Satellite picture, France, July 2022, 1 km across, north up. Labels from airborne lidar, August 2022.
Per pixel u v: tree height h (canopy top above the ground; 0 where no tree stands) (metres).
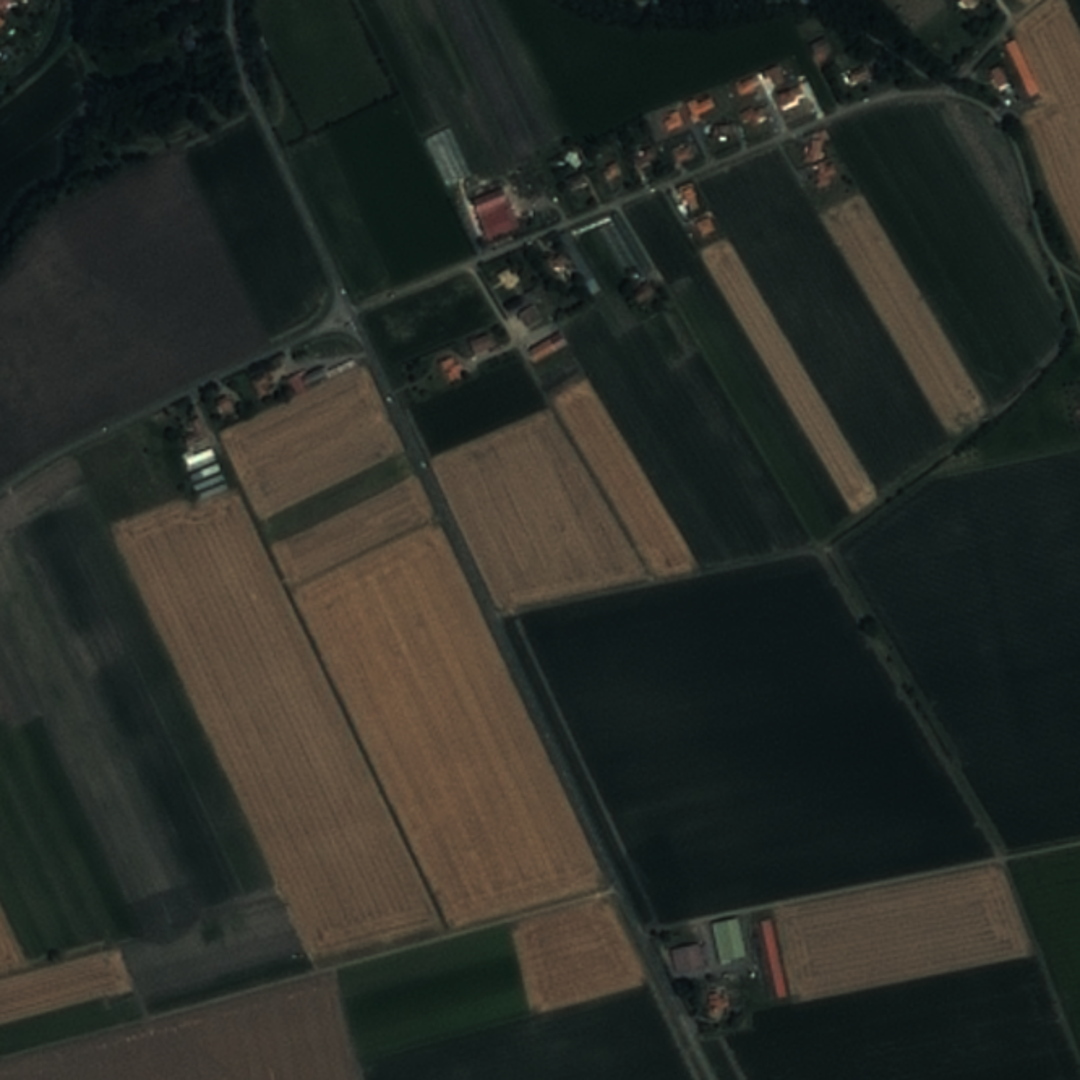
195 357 0
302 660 0
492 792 0
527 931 0
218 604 0
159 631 0
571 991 0
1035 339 0
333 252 0
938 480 0
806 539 0
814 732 0
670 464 0
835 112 0
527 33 0
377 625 0
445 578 0
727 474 0
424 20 0
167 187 0
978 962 0
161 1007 0
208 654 0
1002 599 0
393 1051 0
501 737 0
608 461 0
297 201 0
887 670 0
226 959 0
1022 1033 0
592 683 0
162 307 0
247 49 16
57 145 0
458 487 0
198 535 0
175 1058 0
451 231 0
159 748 0
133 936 0
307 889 0
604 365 0
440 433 0
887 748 0
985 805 0
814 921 0
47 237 0
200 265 0
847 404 0
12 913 0
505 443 0
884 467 0
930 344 0
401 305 0
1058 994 0
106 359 0
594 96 0
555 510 0
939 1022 0
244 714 0
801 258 0
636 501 0
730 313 0
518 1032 0
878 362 0
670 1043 0
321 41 0
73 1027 0
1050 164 0
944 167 0
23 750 0
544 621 0
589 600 0
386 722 0
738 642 0
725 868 0
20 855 0
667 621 0
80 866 0
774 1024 0
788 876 0
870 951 0
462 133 0
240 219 0
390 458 0
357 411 0
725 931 0
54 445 0
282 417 0
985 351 0
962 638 0
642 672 0
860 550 0
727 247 0
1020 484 0
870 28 29
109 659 0
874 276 0
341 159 0
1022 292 0
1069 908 0
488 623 0
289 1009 0
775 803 0
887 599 0
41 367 0
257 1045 0
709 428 0
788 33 0
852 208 0
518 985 0
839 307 0
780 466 0
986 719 0
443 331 0
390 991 0
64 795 0
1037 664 0
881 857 0
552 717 0
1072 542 0
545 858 0
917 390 0
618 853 0
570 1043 0
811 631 0
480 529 0
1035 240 0
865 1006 0
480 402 0
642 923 0
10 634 0
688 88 0
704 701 0
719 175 0
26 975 0
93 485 0
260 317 0
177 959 0
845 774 0
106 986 0
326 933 0
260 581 0
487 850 0
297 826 0
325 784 0
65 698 0
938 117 0
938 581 0
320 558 0
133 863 0
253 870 0
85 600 0
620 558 0
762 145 0
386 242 0
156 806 0
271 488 0
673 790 0
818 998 0
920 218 0
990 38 9
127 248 0
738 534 0
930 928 0
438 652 0
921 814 0
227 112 16
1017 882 0
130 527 0
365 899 0
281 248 0
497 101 0
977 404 0
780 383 0
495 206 0
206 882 0
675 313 0
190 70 9
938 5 0
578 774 0
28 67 0
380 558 0
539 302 0
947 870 0
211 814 0
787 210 0
